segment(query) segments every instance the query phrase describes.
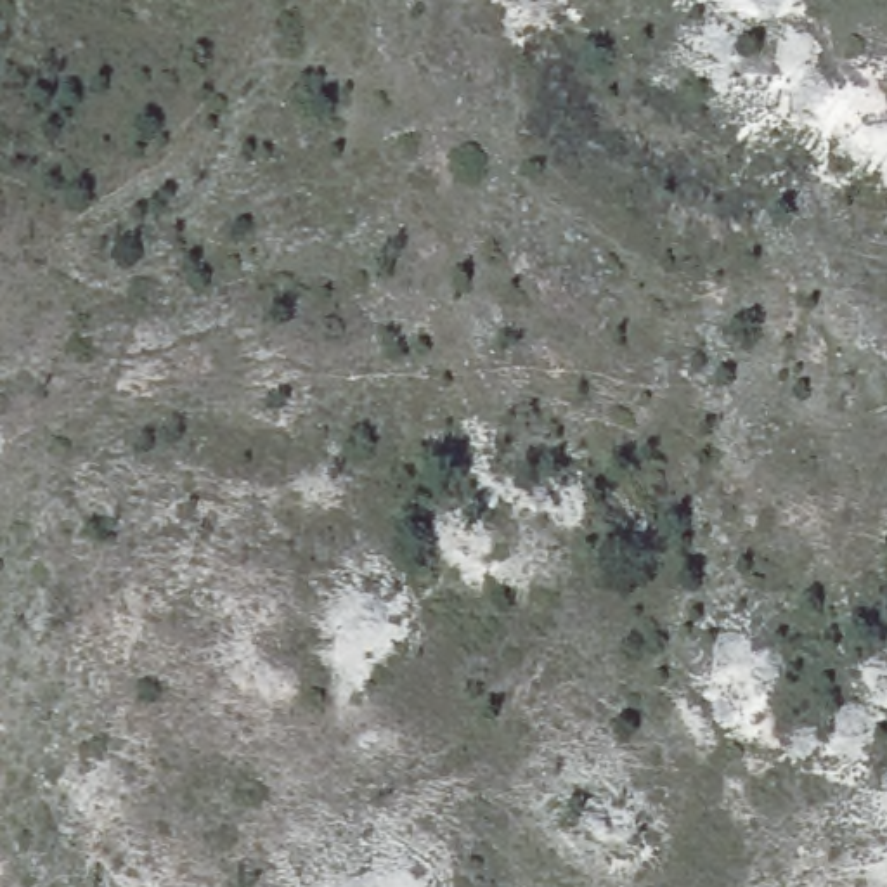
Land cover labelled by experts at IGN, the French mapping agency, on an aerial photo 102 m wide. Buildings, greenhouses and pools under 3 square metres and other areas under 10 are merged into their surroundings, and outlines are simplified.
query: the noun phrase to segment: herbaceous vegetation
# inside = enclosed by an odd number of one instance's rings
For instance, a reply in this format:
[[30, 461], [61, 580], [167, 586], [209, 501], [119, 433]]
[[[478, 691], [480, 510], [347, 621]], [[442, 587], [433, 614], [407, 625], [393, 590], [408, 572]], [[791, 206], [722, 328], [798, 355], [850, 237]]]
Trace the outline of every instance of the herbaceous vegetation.
[[870, 787], [884, 790], [887, 776], [887, 721], [877, 724], [877, 735], [866, 745]]
[[534, 669], [534, 662], [544, 665], [544, 679], [534, 686], [551, 690], [561, 679], [586, 679], [596, 665], [617, 662], [617, 693], [627, 700], [627, 710], [641, 710], [644, 724], [665, 724], [676, 714], [676, 703], [665, 693], [669, 686], [679, 686], [686, 679], [669, 669], [669, 627], [662, 624], [679, 589], [669, 589], [658, 579], [651, 579], [634, 592], [603, 589], [599, 547], [586, 544], [586, 534], [610, 530], [603, 513], [586, 499], [582, 523], [565, 527], [551, 541], [551, 551], [561, 551], [561, 561], [572, 565], [572, 575], [554, 575], [530, 589], [513, 589], [485, 575], [485, 582], [468, 582], [461, 592], [454, 589], [426, 599], [419, 606], [419, 620], [409, 624], [412, 631], [423, 631], [423, 641], [395, 641], [392, 655], [381, 665], [374, 665], [364, 683], [364, 690], [374, 700], [381, 728], [398, 735], [419, 735], [423, 748], [437, 752], [444, 776], [464, 773], [471, 783], [471, 797], [457, 800], [461, 821], [450, 828], [447, 842], [454, 859], [454, 887], [582, 887], [589, 873], [561, 859], [554, 845], [544, 842], [534, 811], [516, 807], [513, 773], [516, 762], [530, 759], [537, 748], [534, 728], [509, 703], [502, 703], [502, 710], [492, 710], [489, 700], [492, 693], [509, 696], [520, 676]]
[[[690, 73], [672, 90], [651, 83], [651, 69], [676, 49], [679, 28], [703, 24], [710, 0], [575, 0], [582, 21], [572, 21], [568, 31], [523, 28], [527, 45], [509, 45], [506, 21], [482, 21], [482, 7], [475, 0], [270, 0], [277, 7], [277, 31], [256, 35], [243, 45], [239, 59], [232, 59], [218, 49], [201, 52], [197, 42], [177, 42], [173, 35], [146, 38], [146, 24], [135, 14], [142, 0], [0, 0], [0, 364], [7, 364], [17, 350], [35, 350], [49, 360], [49, 367], [38, 378], [14, 374], [0, 385], [0, 433], [3, 444], [24, 440], [31, 433], [35, 450], [55, 454], [52, 485], [55, 499], [62, 499], [66, 506], [80, 502], [73, 482], [76, 461], [90, 461], [94, 471], [107, 471], [114, 457], [135, 454], [156, 471], [170, 471], [170, 464], [184, 457], [194, 464], [208, 464], [215, 475], [260, 485], [291, 482], [298, 475], [315, 471], [319, 464], [329, 468], [333, 485], [343, 489], [336, 509], [322, 509], [312, 502], [305, 502], [301, 509], [281, 509], [263, 506], [263, 499], [256, 495], [246, 495], [249, 509], [236, 520], [239, 547], [218, 554], [222, 561], [270, 572], [291, 565], [295, 596], [312, 606], [319, 606], [322, 599], [319, 592], [312, 592], [308, 572], [336, 568], [343, 565], [343, 554], [357, 561], [381, 554], [392, 561], [392, 568], [405, 572], [419, 572], [440, 554], [437, 530], [430, 537], [412, 534], [412, 523], [405, 516], [409, 506], [430, 509], [433, 523], [444, 513], [457, 509], [464, 523], [485, 523], [489, 534], [513, 516], [509, 502], [489, 506], [489, 492], [478, 485], [471, 471], [471, 444], [461, 430], [464, 419], [482, 419], [485, 426], [495, 426], [495, 454], [489, 457], [495, 478], [513, 478], [520, 489], [530, 492], [541, 485], [541, 478], [558, 475], [558, 482], [565, 485], [582, 485], [586, 495], [589, 489], [613, 492], [613, 482], [603, 475], [606, 464], [617, 457], [620, 444], [648, 440], [655, 461], [669, 457], [669, 499], [676, 502], [676, 516], [693, 513], [693, 551], [703, 554], [703, 565], [741, 568], [741, 551], [755, 551], [755, 565], [741, 572], [745, 586], [738, 596], [748, 596], [748, 603], [762, 599], [759, 613], [752, 617], [748, 644], [755, 651], [769, 651], [769, 658], [780, 665], [776, 686], [769, 693], [776, 735], [811, 728], [814, 738], [832, 738], [835, 714], [842, 707], [859, 707], [866, 696], [863, 662], [887, 662], [887, 184], [880, 173], [863, 173], [842, 191], [825, 187], [814, 177], [814, 156], [804, 146], [797, 152], [787, 152], [787, 159], [773, 159], [759, 142], [738, 139], [735, 128], [717, 125], [717, 114], [710, 111], [714, 87], [700, 73]], [[107, 256], [107, 249], [97, 249], [97, 236], [114, 229], [142, 232], [139, 263], [121, 267]], [[267, 392], [246, 381], [260, 346], [274, 346], [284, 357], [284, 367], [301, 371], [291, 392], [312, 392], [312, 412], [298, 412], [291, 426], [253, 423], [253, 416], [267, 409]], [[135, 398], [118, 388], [125, 360], [159, 360], [166, 367], [163, 381], [149, 381], [149, 398]]]
[[745, 738], [728, 738], [710, 748], [707, 759], [662, 755], [655, 748], [644, 759], [644, 769], [631, 773], [634, 787], [662, 807], [672, 828], [672, 849], [662, 863], [665, 873], [655, 887], [745, 887], [745, 870], [752, 863], [745, 859], [738, 821], [731, 821], [731, 814], [721, 807], [724, 780], [741, 780], [752, 807], [776, 814], [790, 804], [787, 780], [797, 769], [793, 762], [780, 762], [769, 773], [755, 776], [752, 769], [745, 769]]
[[835, 35], [835, 42], [825, 52], [818, 52], [818, 73], [832, 87], [880, 90], [887, 100], [887, 0], [804, 0], [807, 10], [821, 14]]
[[243, 769], [239, 759], [204, 755], [194, 745], [177, 745], [170, 738], [170, 728], [156, 728], [149, 738], [152, 762], [159, 766], [159, 773], [152, 787], [146, 787], [146, 800], [132, 807], [132, 814], [139, 818], [142, 832], [152, 832], [159, 838], [180, 838], [187, 852], [215, 863], [229, 880], [236, 880], [236, 828], [239, 821], [249, 821], [249, 811], [270, 797], [267, 783], [253, 769]]
[[766, 52], [766, 28], [762, 28], [762, 24], [752, 24], [752, 28], [745, 28], [741, 35], [738, 35], [738, 45], [735, 45], [735, 49], [738, 49], [738, 55], [762, 55], [762, 52]]

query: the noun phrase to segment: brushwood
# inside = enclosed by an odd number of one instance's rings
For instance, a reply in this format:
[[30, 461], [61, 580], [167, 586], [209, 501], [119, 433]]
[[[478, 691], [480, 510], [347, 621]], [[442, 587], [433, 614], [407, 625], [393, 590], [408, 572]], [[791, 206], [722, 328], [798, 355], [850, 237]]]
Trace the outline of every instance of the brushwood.
[[38, 800], [35, 780], [24, 773], [0, 776], [0, 887], [100, 887], [100, 866], [87, 866], [76, 849], [59, 845], [55, 814], [49, 804]]
[[97, 236], [97, 249], [107, 249], [107, 256], [121, 267], [139, 263], [142, 232], [114, 229]]
[[703, 554], [693, 551], [693, 513], [676, 516], [676, 502], [669, 499], [669, 457], [655, 461], [648, 440], [620, 444], [617, 457], [606, 464], [603, 475], [613, 482], [613, 492], [589, 489], [586, 495], [586, 499], [603, 513], [610, 530], [586, 534], [586, 544], [599, 547], [603, 589], [634, 592], [651, 579], [658, 579], [669, 589], [679, 589], [703, 586], [703, 565]]

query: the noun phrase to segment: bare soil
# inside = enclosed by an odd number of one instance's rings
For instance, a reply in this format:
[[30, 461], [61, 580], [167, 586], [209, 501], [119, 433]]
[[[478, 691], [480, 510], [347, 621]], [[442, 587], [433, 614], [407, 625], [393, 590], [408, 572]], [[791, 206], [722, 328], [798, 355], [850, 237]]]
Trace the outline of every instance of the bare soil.
[[232, 59], [239, 59], [243, 45], [256, 35], [277, 31], [277, 7], [270, 0], [142, 0], [135, 14], [146, 24], [146, 38], [173, 35], [177, 42], [197, 42], [201, 52], [218, 49]]
[[[738, 49], [735, 49], [735, 45], [738, 45], [738, 35], [741, 35], [745, 28], [752, 28], [752, 24], [762, 24], [762, 28], [766, 28], [766, 52], [762, 52], [762, 55], [738, 55]], [[735, 128], [738, 139], [759, 142], [773, 159], [787, 159], [787, 152], [797, 152], [804, 146], [814, 156], [814, 177], [825, 187], [842, 191], [863, 173], [880, 173], [887, 184], [887, 100], [880, 90], [832, 87], [818, 73], [818, 52], [825, 52], [835, 42], [835, 35], [821, 14], [807, 10], [804, 0], [710, 0], [703, 24], [679, 28], [676, 49], [651, 69], [651, 83], [672, 90], [690, 73], [700, 73], [714, 87], [710, 111], [717, 114], [717, 125]]]
[[125, 360], [118, 388], [135, 398], [149, 398], [149, 381], [163, 381], [166, 367], [159, 360]]
[[[419, 572], [405, 572], [392, 568], [392, 561], [381, 554], [357, 561], [343, 554], [343, 565], [336, 568], [308, 572], [312, 592], [319, 592], [322, 599], [319, 606], [312, 606], [295, 596], [291, 565], [270, 572], [222, 561], [218, 554], [239, 547], [236, 520], [249, 509], [246, 495], [256, 495], [263, 499], [263, 506], [281, 509], [301, 509], [305, 502], [312, 502], [322, 509], [336, 509], [343, 489], [333, 485], [329, 468], [319, 464], [315, 471], [298, 475], [291, 482], [260, 485], [215, 475], [208, 464], [194, 464], [184, 457], [170, 464], [170, 471], [156, 471], [135, 454], [114, 457], [107, 471], [94, 471], [90, 461], [76, 461], [73, 482], [80, 502], [66, 506], [62, 499], [55, 499], [52, 485], [55, 454], [35, 450], [31, 433], [24, 440], [3, 444], [0, 433], [0, 776], [24, 773], [35, 780], [38, 800], [49, 804], [55, 814], [59, 845], [76, 849], [87, 866], [100, 866], [100, 887], [454, 887], [454, 859], [447, 842], [450, 828], [461, 821], [457, 800], [471, 797], [471, 783], [464, 773], [444, 776], [437, 752], [423, 748], [419, 735], [398, 735], [381, 728], [374, 700], [364, 690], [364, 683], [374, 665], [381, 665], [392, 655], [395, 641], [423, 641], [423, 631], [412, 631], [409, 624], [419, 620], [419, 606], [426, 599], [454, 589], [461, 592], [468, 582], [485, 582], [485, 575], [513, 589], [530, 589], [554, 575], [572, 575], [572, 565], [561, 561], [561, 551], [551, 551], [551, 541], [565, 527], [582, 523], [586, 499], [586, 495], [582, 485], [565, 485], [558, 482], [558, 475], [541, 478], [541, 485], [530, 492], [520, 489], [513, 478], [495, 478], [489, 457], [495, 454], [495, 426], [485, 426], [482, 419], [464, 419], [461, 430], [471, 444], [471, 471], [478, 485], [489, 492], [489, 506], [509, 502], [513, 516], [489, 534], [485, 523], [464, 523], [457, 509], [444, 513], [433, 523], [430, 509], [409, 506], [405, 516], [412, 523], [412, 534], [430, 537], [437, 530], [440, 554]], [[243, 769], [253, 769], [267, 783], [270, 797], [249, 811], [249, 821], [239, 821], [236, 828], [236, 880], [229, 880], [215, 863], [187, 852], [180, 838], [159, 838], [152, 832], [142, 832], [139, 818], [132, 814], [132, 807], [146, 800], [146, 787], [152, 787], [159, 773], [159, 766], [152, 762], [149, 738], [156, 728], [170, 728], [170, 738], [177, 745], [194, 745], [204, 755], [239, 759]]]
[[527, 45], [523, 28], [568, 31], [572, 21], [582, 21], [575, 0], [475, 0], [482, 7], [482, 21], [506, 21], [509, 45]]
[[745, 586], [741, 572], [755, 565], [755, 551], [741, 551], [741, 568], [703, 565], [703, 586], [679, 589], [662, 624], [669, 627], [669, 669], [686, 679], [679, 686], [669, 686], [665, 693], [676, 703], [676, 714], [665, 724], [644, 724], [641, 710], [627, 710], [627, 700], [617, 693], [617, 662], [596, 665], [586, 679], [561, 679], [551, 690], [534, 686], [544, 679], [544, 665], [534, 662], [534, 669], [520, 676], [509, 696], [492, 693], [489, 700], [492, 710], [502, 710], [502, 703], [509, 703], [534, 728], [537, 748], [530, 759], [516, 762], [513, 773], [516, 807], [534, 811], [544, 842], [554, 845], [561, 859], [589, 873], [582, 887], [655, 887], [665, 873], [662, 863], [672, 849], [672, 828], [662, 807], [634, 787], [631, 773], [644, 769], [644, 759], [655, 748], [662, 755], [707, 759], [710, 748], [728, 738], [745, 738], [745, 769], [752, 769], [755, 776], [769, 773], [780, 762], [793, 762], [797, 769], [787, 780], [790, 804], [776, 814], [752, 807], [741, 780], [724, 780], [721, 807], [731, 814], [731, 821], [738, 821], [745, 859], [752, 863], [745, 870], [745, 887], [887, 887], [887, 776], [884, 790], [870, 787], [866, 745], [877, 735], [877, 724], [887, 721], [887, 662], [863, 662], [866, 696], [859, 707], [842, 707], [835, 714], [832, 738], [814, 738], [811, 728], [776, 735], [769, 693], [776, 686], [780, 665], [769, 658], [769, 651], [755, 651], [748, 644], [752, 617], [759, 613], [762, 599], [748, 603], [748, 596], [738, 596]]
[[253, 416], [253, 423], [291, 426], [298, 412], [312, 412], [312, 392], [291, 392], [301, 371], [284, 367], [284, 357], [274, 346], [260, 346], [246, 381], [267, 392], [267, 409]]
[[38, 378], [49, 367], [49, 360], [35, 350], [17, 350], [7, 364], [0, 364], [0, 385], [14, 374]]

